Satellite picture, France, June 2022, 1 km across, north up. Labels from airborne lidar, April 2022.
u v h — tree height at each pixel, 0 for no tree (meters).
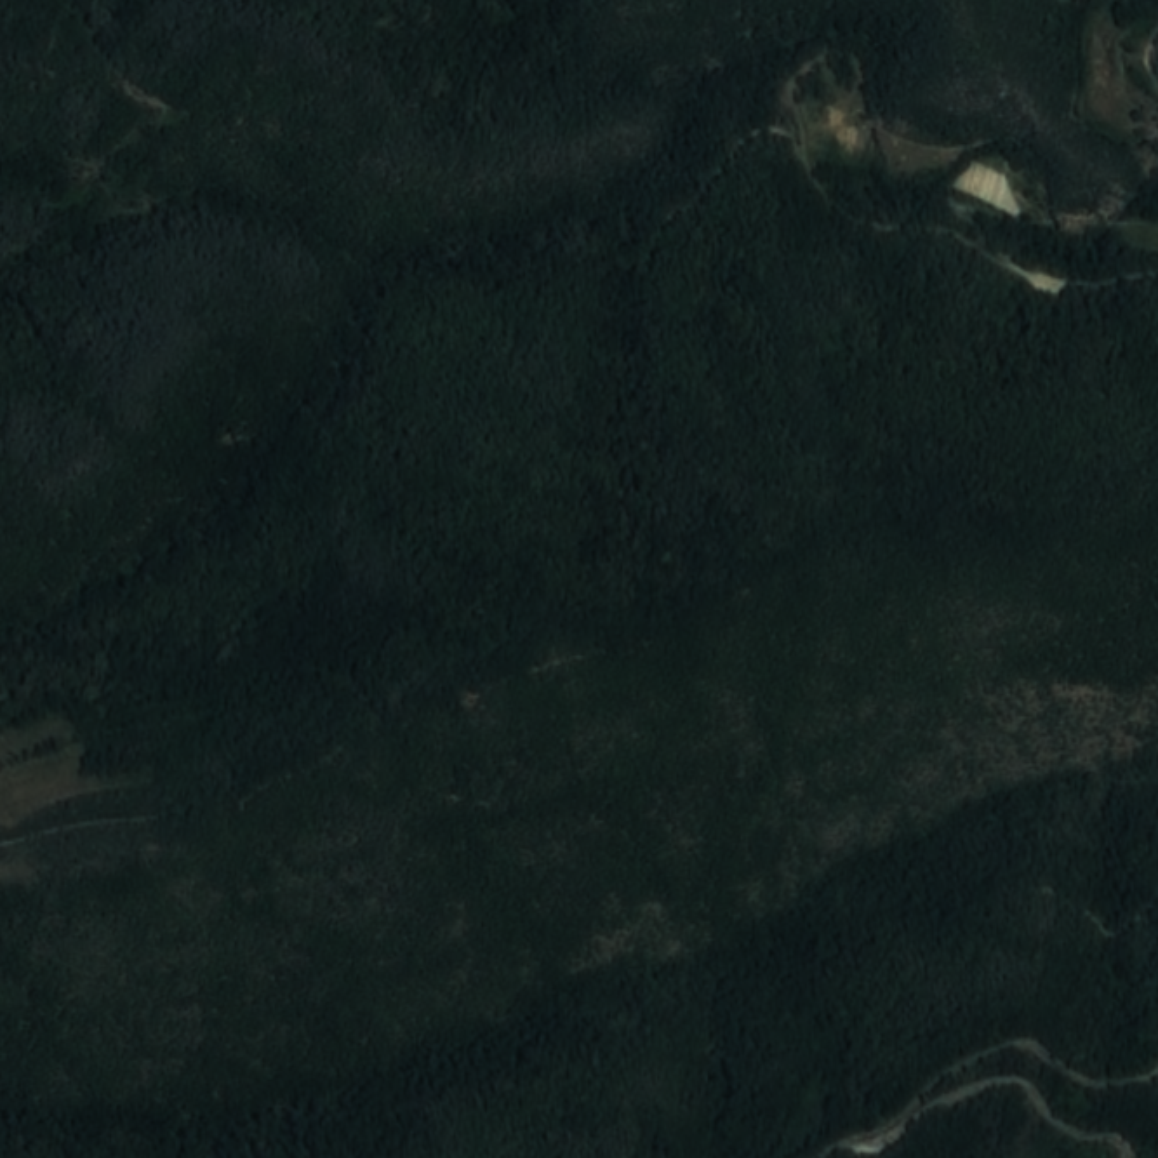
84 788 0
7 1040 8
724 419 13
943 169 6
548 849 6
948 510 12
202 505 15
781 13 11
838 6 13
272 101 9
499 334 11
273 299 10
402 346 11
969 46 6
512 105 15
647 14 6
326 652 16
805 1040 7
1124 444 9
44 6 15
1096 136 7
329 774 7
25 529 14
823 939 17
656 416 16
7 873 0
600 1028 15
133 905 7
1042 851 9
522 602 14
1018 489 15
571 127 14
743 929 11
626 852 12
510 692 8
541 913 9
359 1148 18
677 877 7
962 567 8
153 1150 22
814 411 8
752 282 14
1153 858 9
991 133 9
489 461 12
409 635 11
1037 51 8
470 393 12
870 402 17
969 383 17
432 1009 6
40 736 0
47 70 10
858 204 15
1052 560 10
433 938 9
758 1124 13
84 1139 19
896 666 6
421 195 7
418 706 8
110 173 10
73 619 17
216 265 7
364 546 10
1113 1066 11
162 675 13
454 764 7
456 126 14
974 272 13
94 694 13
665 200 11
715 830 10
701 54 7
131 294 14
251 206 14
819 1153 10
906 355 14
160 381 11
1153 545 8
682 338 14
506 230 17
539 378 13
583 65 10
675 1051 10
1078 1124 7
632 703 6
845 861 7
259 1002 8
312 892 5
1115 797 9
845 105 0
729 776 7
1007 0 7
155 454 9
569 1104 14
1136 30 0
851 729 6
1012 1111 7
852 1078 15
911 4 9
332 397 10
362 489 11
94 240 11
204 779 7
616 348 22
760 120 11
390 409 14
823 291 7
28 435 15
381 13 15
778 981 12
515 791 13
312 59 13
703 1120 10
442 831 13
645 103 7
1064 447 11
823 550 11
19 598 10
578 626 10
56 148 7
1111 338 15
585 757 7
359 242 7
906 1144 9
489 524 12
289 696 9
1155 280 13
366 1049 7
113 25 17
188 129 10
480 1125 14
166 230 9
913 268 24
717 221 14
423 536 15
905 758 6
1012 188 0
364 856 8
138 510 9
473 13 12
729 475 12
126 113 16
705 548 15
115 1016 6
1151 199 11
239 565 13
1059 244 15
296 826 9
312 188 10
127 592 18
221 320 7
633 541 14
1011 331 25
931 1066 9
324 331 8
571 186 8
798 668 9
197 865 6
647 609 12
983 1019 9
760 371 19
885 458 18
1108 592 8
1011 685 5
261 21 12
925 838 11
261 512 18
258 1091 9
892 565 9
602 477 16
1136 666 10
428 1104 13
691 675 8
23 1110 17
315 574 15
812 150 0
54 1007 7
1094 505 7
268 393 13
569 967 6
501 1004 6
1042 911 8
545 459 11
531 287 11
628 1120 10
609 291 15
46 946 6
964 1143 9
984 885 9
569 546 14
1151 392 14
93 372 16
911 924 12
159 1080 7
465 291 16
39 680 11
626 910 8
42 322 16
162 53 14
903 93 7
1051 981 10
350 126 9
